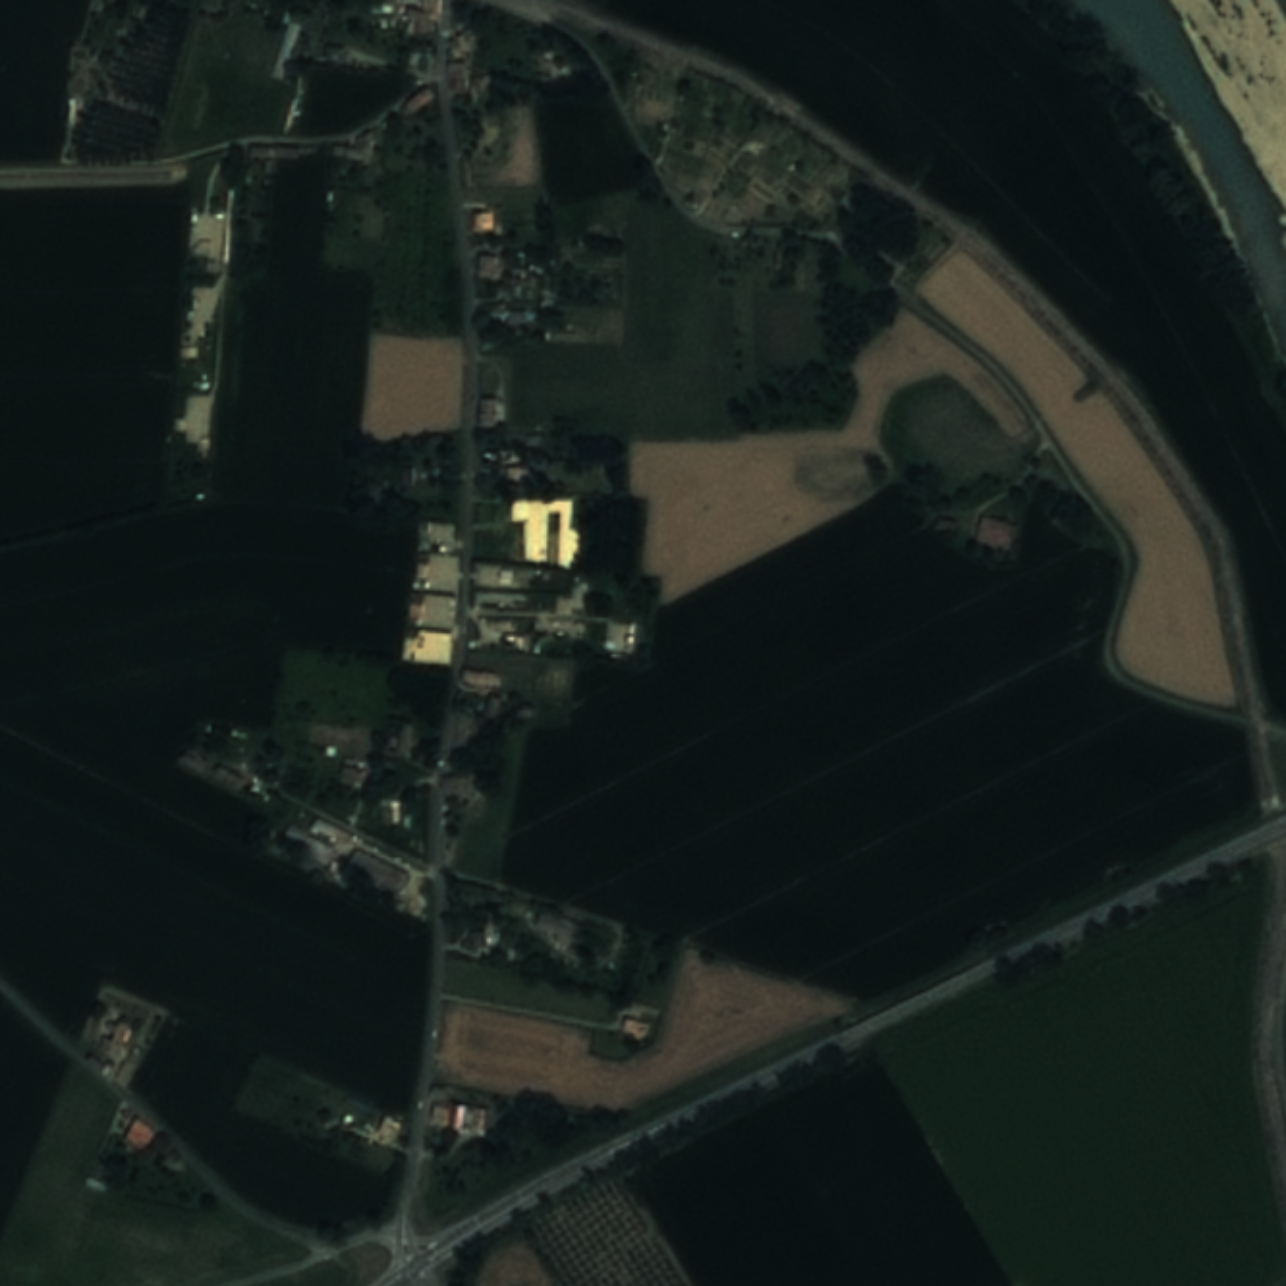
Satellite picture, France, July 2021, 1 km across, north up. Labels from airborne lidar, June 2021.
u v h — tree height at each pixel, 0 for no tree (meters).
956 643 0
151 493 0
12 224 0
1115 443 0
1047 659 0
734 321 0
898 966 0
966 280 0
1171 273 0
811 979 0
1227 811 0
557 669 0
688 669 0
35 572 0
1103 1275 0
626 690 0
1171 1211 0
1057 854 0
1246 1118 0
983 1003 0
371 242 0
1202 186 0
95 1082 0
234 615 0
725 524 0
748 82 0
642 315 0
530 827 0
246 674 0
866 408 0
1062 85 0
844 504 0
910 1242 0
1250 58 0
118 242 0
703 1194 0
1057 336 0
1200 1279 0
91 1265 0
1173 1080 0
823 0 0
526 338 7
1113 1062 0
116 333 0
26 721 0
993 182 0
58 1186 0
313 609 0
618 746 0
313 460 0
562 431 8
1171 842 0
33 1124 0
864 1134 0
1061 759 0
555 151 0
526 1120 25
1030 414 0
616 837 0
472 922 11
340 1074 0
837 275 15
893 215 23
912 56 0
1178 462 0
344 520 0
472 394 0
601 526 21
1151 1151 0
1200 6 0
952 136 0
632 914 0
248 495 0
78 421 0
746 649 0
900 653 0
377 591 0
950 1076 0
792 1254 0
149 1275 0
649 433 0
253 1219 0
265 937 0
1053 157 0
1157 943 0
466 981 0
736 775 0
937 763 0
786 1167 0
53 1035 0
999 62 0
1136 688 0
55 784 0
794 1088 10
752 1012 0
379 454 27
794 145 0
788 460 0
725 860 0
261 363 0
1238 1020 0
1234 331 0
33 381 0
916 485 19
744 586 0
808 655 0
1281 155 0
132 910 0
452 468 21
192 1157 0
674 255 0
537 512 0
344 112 0
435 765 7
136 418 0
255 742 0
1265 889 0
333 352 0
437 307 7
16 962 0
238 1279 0
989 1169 0
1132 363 0
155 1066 0
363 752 0
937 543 0
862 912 0
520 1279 0
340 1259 0
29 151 0
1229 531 0
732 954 0
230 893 0
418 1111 0
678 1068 0
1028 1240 0
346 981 0
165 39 13
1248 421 0
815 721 0
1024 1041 0
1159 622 0
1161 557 0
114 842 0
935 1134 0
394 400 0
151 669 0
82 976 0
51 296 0
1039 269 0
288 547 0
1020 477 0
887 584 0
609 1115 22
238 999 0
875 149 0
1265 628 0
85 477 0
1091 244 0
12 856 0
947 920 0
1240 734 0
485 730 7
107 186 0
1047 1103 0
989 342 0
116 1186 17
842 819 0
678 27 0
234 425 0
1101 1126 0
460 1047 0
